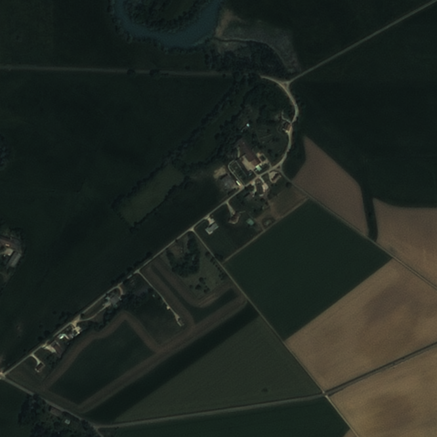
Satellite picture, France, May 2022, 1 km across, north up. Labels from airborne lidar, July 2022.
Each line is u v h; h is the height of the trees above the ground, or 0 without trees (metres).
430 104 0
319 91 0
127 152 0
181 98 0
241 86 23
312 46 0
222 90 0
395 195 0
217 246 0
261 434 0
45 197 0
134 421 0
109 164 0
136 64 0
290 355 0
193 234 10
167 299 0
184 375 0
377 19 0
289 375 0
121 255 0
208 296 0
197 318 0
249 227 10
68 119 0
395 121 0
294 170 0
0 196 0
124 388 0
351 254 0
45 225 0
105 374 0
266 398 0
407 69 0
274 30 0
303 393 0
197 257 11
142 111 0
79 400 0
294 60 0
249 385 0
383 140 0
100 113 0
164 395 0
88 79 0
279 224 0
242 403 0
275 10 0
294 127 12
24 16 0
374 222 0
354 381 0
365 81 0
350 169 0
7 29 0
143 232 0
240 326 0
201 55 0
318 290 0
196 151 0
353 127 0
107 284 0
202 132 10
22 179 0
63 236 0
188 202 0
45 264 0
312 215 0
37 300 0
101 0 0
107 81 0
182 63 0
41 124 0
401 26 0
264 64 29
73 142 0
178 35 0
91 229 0
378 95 0
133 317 0
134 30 0
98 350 0
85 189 0
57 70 0
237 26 0
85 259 0
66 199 0
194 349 0
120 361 0
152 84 0
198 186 0
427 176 0
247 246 0
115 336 0
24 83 0
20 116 0
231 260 0
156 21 13
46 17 0
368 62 0
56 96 0
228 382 0
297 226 0
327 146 0
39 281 0
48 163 0
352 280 0
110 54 0
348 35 0
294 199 0
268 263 0
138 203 0
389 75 0
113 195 0
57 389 0
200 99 0
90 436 20
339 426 0
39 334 0
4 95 0
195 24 0
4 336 0
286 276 0
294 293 0
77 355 0
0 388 0
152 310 0
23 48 0
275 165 0
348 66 0
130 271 15
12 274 6
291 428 0
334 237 0
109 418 0
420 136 0
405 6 0
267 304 0
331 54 0
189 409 0
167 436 0
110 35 0
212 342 0
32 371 0
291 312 0
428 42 0
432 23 0
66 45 0
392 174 0
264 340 0
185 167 20
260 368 0
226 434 0
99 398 0
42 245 0
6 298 0
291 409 0
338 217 0
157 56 0
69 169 0
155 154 0
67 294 0
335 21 0
